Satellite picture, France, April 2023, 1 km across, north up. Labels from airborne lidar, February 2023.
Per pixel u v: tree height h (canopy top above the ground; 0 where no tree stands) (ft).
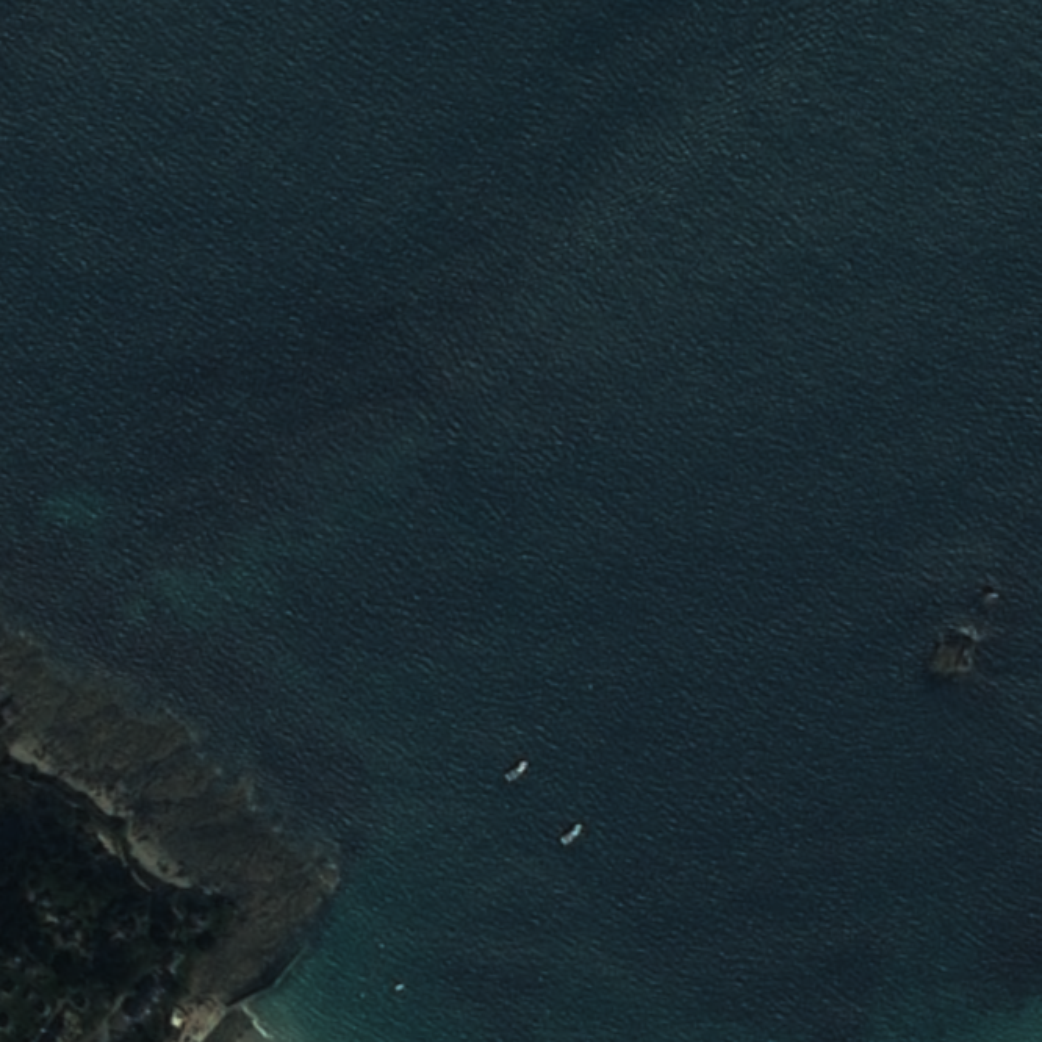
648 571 0
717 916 0
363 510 0
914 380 0
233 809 0
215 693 0
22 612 0
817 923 0
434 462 0
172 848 0
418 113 0
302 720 0
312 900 0
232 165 0
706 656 0
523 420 0
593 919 0
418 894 0
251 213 0
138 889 49
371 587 0
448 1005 0
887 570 0
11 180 0
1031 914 0
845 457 0
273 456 0
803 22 0
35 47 0
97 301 0
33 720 0
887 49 0
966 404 0
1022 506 0
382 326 0
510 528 0
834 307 0
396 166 0
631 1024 0
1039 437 0
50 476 0
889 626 0
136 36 0
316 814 0
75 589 0
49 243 0
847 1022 0
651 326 0
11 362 0
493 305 0
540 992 0
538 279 0
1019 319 0
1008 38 0
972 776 0
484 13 0
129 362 0
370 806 0
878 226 0
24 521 0
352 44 0
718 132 0
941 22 0
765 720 0
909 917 0
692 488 0
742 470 0
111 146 0
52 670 0
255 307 0
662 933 0
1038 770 0
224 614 0
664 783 0
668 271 0
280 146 0
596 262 0
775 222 0
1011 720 0
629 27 0
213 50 0
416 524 0
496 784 0
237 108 0
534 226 0
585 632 0
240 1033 0
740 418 0
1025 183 0
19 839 76
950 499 0
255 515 0
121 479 0
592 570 0
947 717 0
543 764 0
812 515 0
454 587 0
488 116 0
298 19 0
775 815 0
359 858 0
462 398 0
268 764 0
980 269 0
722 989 0
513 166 0
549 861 0
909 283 0
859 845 0
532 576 0
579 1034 0
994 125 0
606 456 0
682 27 0
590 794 0
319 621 0
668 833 0
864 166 0
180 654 0
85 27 0
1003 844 0
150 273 0
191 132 0
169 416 0
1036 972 0
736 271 0
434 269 0
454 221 0
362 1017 0
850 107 0
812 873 0
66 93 0
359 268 0
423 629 0
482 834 0
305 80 0
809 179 0
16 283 0
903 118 0
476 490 0
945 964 0
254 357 0
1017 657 0
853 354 0
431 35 0
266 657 0
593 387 0
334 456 0
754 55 0
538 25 0
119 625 0
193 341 0
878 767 0
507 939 0
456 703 0
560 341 0
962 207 0
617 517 0
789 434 0
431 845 0
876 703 0
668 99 0
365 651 0
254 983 0
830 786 0
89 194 0
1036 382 0
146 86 0
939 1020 0
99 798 0
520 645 0
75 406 0
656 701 0
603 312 0
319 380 0
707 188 0
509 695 0
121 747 0
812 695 0
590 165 0
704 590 0
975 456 0
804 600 0
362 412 0
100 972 69
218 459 0
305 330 0
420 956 0
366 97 0
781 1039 0
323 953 0
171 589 0
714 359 0
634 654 0
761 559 0
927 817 0
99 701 0
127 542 0
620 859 0
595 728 0
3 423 0
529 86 0
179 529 0
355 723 0
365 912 0
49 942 42
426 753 0
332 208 0
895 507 0
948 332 0
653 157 0
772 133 0
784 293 0
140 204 0
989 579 0
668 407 0
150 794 0
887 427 0
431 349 0
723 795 0
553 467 0
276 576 0
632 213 0
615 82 0
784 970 0
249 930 0
